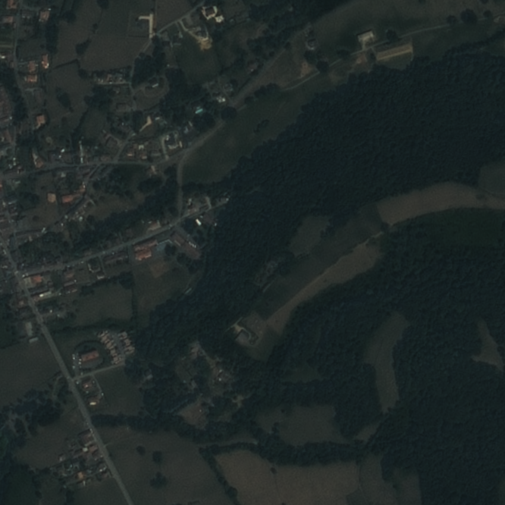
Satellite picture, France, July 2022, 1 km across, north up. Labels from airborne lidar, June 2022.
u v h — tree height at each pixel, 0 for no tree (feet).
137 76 43
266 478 0
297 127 68
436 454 74
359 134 74
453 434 78
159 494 0
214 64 0
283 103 0
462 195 0
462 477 82
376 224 0
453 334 80
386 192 63
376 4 0
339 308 71
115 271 0
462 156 68
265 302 0
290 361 97
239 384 76
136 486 0
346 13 0
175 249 35
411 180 49
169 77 63
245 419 68
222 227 72
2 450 108
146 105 0
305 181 86
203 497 0
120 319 0
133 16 0
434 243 28
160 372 56
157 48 40
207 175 0
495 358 0
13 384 0
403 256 56
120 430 0
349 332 74
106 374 0
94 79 23
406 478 0
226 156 0
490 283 77
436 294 57
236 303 92
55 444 0
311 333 83
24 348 0
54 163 0
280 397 66
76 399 0
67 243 35
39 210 0
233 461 0
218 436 36
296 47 0
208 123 78
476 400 76
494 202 0
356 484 0
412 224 33
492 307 94
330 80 0
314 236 0
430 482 58
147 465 0
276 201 72
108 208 0
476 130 68
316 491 0
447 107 96
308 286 0
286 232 77
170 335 88
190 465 0
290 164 92
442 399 77
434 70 96
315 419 0
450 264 79
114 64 0
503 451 61
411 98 73
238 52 24
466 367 73
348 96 95
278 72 0
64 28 0
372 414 76
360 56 0
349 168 62
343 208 28
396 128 74
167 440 0
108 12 0
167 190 73
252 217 72
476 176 34
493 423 81
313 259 0
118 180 36
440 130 74
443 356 71
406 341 60
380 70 69
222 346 34
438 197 0
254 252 88
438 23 0
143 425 77
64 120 24
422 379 86
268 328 0
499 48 0
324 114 96
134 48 0
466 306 81
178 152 0
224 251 74
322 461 76
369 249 0
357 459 42
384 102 85
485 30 0
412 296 74
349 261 0
